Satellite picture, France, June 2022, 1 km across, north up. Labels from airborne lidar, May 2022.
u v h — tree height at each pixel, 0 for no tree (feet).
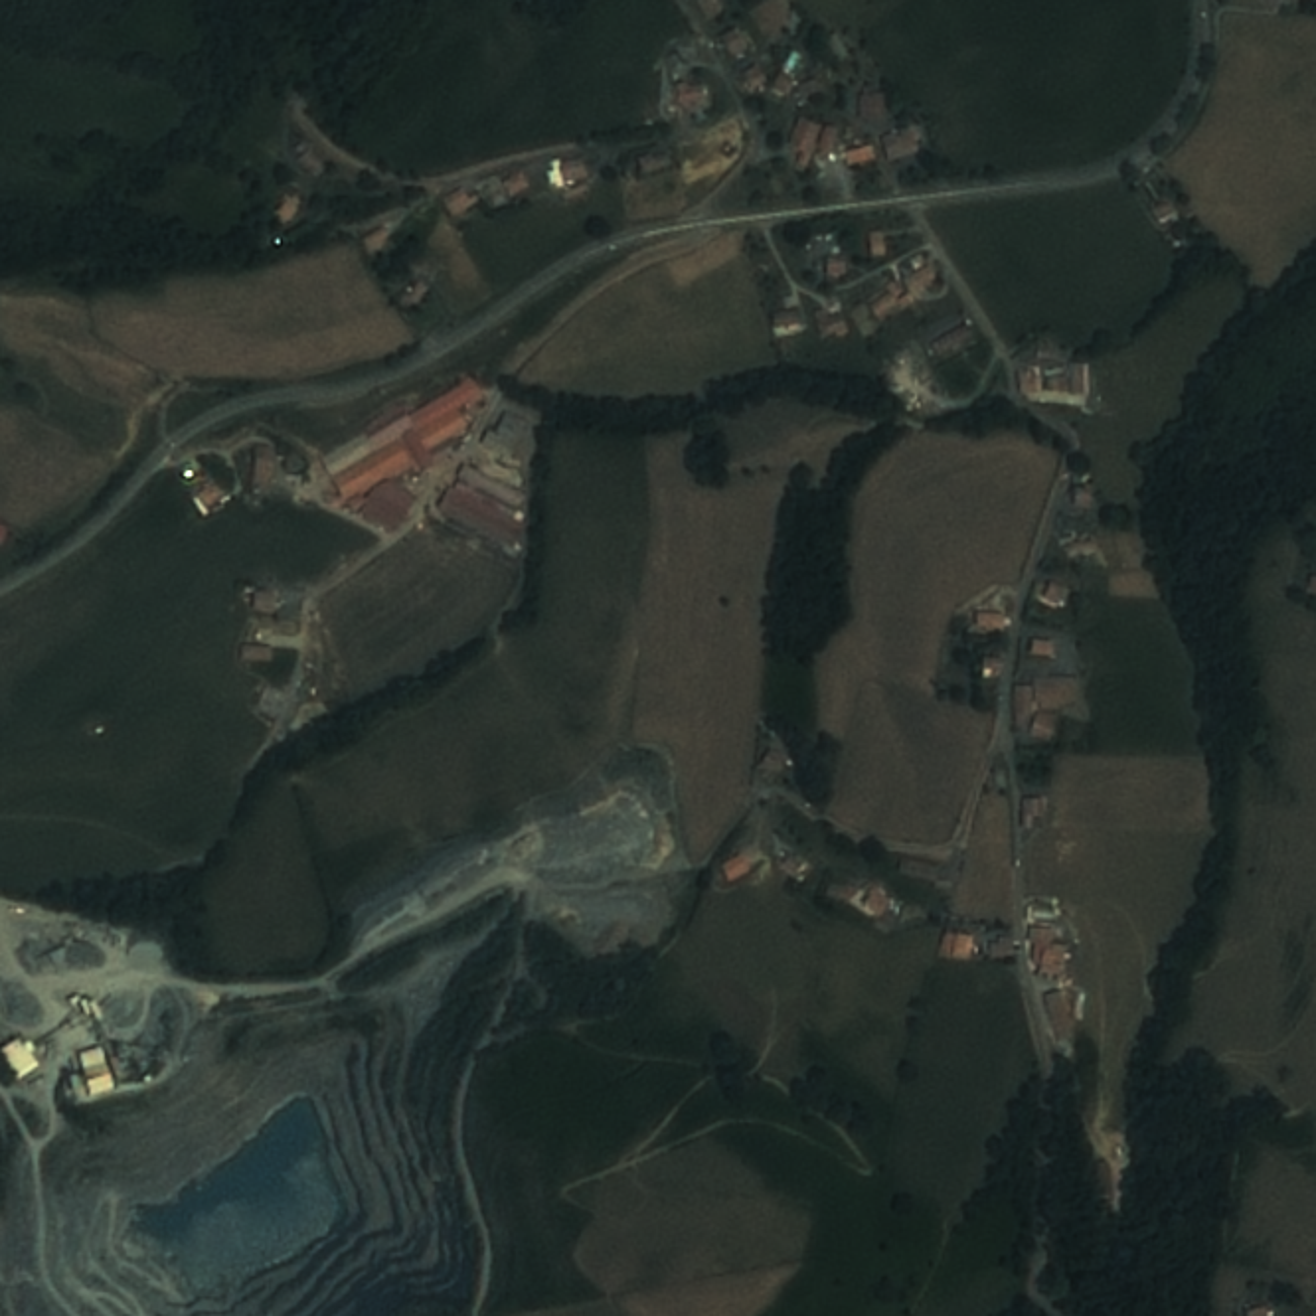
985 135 0
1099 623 0
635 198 0
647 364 0
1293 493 77
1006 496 0
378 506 0
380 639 0
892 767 0
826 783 105
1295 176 0
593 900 0
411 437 0
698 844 0
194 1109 0
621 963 29
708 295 0
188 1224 0
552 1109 0
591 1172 0
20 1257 0
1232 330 50
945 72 0
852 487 65
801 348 0
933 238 0
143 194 42
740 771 0
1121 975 0
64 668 0
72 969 0
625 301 0
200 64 27
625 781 0
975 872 0
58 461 0
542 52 0
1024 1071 0
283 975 18
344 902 0
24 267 42
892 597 0
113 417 0
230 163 36
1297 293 63
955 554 0
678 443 0
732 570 0
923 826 0
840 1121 43
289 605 0
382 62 107
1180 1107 70
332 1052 0
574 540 0
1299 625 0
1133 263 0
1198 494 64
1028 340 23
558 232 0
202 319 0
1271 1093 39
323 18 37
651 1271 0
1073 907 0
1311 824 0
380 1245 0
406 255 71
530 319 0
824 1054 0
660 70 0
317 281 0
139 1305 0
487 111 0
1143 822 0
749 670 0
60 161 29
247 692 0
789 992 0
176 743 0
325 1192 0
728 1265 0
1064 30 0
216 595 0
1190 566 80
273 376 0
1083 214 0
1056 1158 73
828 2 0
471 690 0
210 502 0
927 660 0
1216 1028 0
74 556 0
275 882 0
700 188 0
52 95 0
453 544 0
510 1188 0
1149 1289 45
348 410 0
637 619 0
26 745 0
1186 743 0
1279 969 0
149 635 0
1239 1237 0
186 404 0
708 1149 0
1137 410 0
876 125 0
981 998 0
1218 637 98
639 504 0
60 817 0
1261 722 54
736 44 0
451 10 0
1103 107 0
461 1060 25
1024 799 0
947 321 0
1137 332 28
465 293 0
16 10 21
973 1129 0
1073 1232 82
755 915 0
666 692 0
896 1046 0
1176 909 0
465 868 0
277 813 0
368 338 0
